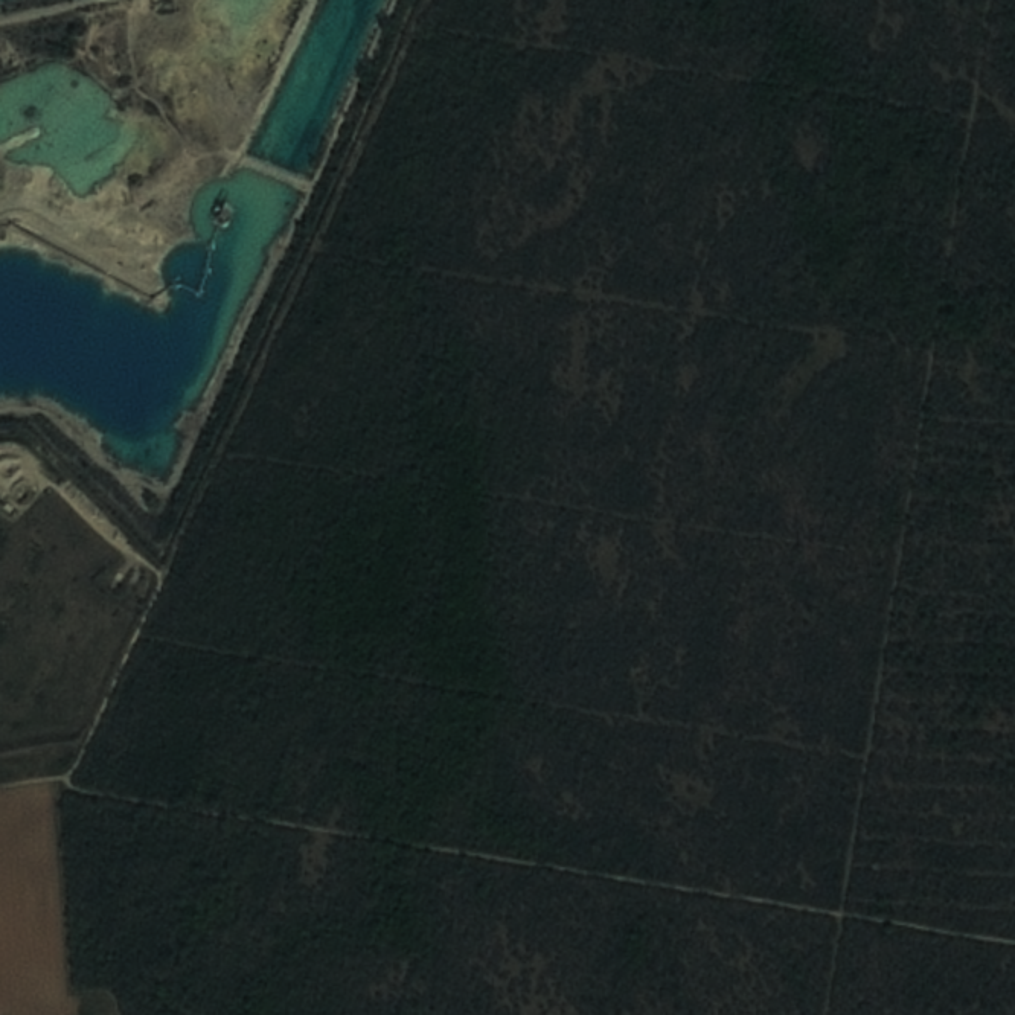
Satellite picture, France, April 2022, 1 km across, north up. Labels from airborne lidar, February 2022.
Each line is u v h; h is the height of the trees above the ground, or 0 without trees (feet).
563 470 25
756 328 41
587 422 19
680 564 22
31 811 0
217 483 22
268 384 28
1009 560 29
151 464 0
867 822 24
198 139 0
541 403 28
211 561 21
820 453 21
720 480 32
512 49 21
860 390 21
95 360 0
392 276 21
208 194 0
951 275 33
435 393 31
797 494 28
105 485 0
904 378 17
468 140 29
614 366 26
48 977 0
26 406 0
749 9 21
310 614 20
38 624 0
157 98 0
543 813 29
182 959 29
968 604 30
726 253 22
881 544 26
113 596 0
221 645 22
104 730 31
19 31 0
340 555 45
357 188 30
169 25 0
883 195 30
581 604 26
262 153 0
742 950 20
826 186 38
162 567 0
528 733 24
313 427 22
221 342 0
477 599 30
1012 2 24
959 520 29
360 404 28
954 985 17
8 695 0
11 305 0
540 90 34
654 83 20
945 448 28
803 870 0
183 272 0
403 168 36
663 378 21
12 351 0
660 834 31
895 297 24
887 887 30
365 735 44
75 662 0
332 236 22
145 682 23
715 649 24
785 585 27
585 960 30
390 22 28
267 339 0
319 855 0
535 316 27
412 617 48
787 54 34
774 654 25
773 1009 24
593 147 21
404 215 22
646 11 26
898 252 43
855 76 32
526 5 19
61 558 0
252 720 35
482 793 20
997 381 31
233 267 0
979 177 31
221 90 0
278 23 0
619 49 32
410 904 20
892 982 29
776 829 25
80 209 0
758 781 28
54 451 0
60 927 0
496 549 30
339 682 42
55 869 0
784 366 35
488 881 30
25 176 0
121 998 33
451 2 26
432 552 24
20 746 0
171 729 31
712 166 24
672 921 38
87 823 26
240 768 38
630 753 26
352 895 25
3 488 0
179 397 0
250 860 24
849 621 29
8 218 0
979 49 30
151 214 0
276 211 0
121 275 0
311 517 38
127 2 0
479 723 29
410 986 28
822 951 25
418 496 25
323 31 0
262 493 29
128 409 0
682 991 35
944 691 41
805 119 29
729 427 23
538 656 28
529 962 20
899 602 27
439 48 18
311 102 0
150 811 45
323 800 28
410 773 31
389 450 34
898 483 28
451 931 31
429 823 18
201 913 25
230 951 24
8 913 0
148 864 32
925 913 24
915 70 22
